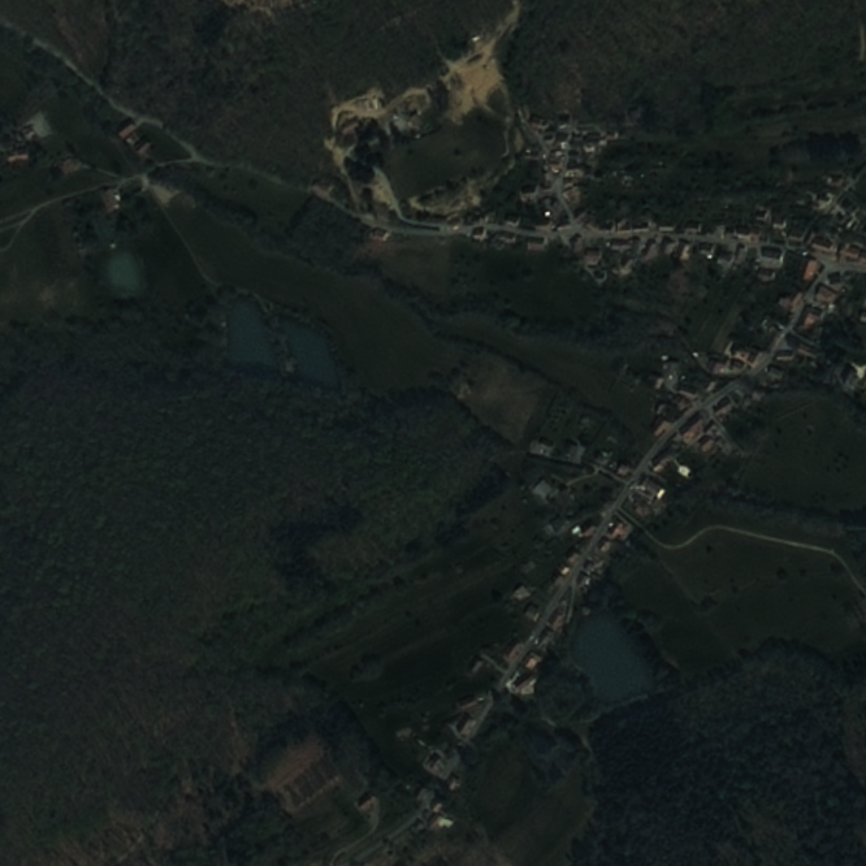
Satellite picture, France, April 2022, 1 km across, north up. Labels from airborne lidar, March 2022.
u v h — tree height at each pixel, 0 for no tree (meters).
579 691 20
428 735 0
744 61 24
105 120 19
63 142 0
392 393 0
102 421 32
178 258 0
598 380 0
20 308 0
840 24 29
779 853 20
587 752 15
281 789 0
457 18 26
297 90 22
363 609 18
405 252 0
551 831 0
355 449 28
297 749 0
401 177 0
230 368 22
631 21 18
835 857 32
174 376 21
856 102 13
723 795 21
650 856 24
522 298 0
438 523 25
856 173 6
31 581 27
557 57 22
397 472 20
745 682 21
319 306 0
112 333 24
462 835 0
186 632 26
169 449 24
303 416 30
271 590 28
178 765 21
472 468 22
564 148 0
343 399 18
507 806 0
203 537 24
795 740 20
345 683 0
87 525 28
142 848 28
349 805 0
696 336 0
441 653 0
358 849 0
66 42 19
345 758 27
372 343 0
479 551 0
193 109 19
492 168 0
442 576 0
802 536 0
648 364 0
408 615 7
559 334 24
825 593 0
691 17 21
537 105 13
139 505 25
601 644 0
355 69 24
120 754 25
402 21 27
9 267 0
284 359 15
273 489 24
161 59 18
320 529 35
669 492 0
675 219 6
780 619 0
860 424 16
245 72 20
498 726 12
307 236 22
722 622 0
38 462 22
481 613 0
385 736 0
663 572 0
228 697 27
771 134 0
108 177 0
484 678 0
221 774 24
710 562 0
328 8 20
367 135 13
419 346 0
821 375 15
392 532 30
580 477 0
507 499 0
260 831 15
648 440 0
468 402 0
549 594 0
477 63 0
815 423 0
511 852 0
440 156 0
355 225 17
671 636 0
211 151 19
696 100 30
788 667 22
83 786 23
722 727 18
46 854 25
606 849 27
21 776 21
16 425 26
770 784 23
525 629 0
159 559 26
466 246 0
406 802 10
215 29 13
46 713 27
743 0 22
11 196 0
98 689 23
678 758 22
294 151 18
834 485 0
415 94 0
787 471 0
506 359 7
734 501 21
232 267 0
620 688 0
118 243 0
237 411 25
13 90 0
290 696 28
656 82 23
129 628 23
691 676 0
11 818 20
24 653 33
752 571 0
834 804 20
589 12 19
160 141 0
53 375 27
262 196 0
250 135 22
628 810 28
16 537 27
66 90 28
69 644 27
